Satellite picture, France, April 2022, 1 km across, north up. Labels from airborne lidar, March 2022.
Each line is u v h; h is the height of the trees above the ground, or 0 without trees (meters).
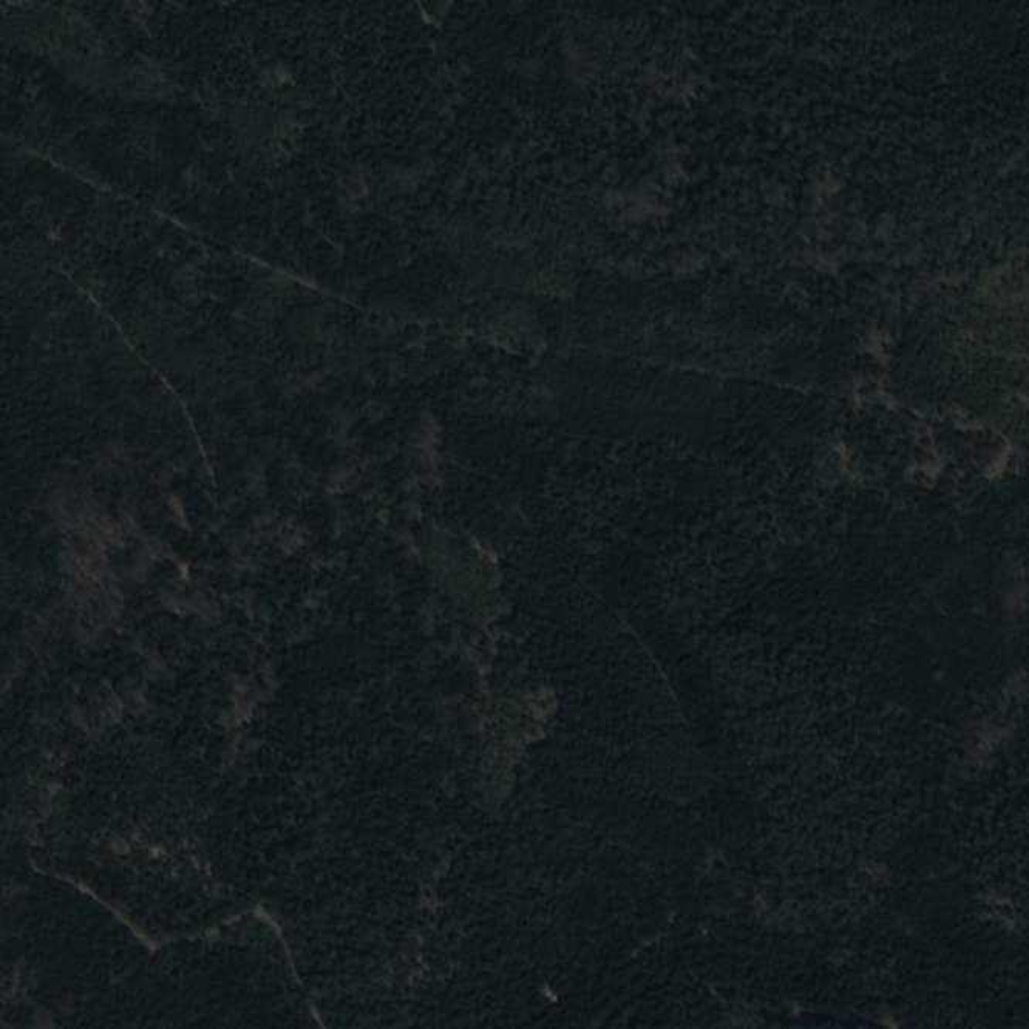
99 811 10
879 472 23
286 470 12
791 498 10
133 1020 20
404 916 16
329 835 16
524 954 15
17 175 11
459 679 13
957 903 12
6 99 7
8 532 17
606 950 19
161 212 10
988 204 14
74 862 14
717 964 21
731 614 32
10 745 22
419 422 16
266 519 24
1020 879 27
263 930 18
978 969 19
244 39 18
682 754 26
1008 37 16
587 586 16
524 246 10
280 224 13
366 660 13
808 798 26
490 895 18
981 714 36
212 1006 15
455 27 22
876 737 10
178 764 10
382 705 13
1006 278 18
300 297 12
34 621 19
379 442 17
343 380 11
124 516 15
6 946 9
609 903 10
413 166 17
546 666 21
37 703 20
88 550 20
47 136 11
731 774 14
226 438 12
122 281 15
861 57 21
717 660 25
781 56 28
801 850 31
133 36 22
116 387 11
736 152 14
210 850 11
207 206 12
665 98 13
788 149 26
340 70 20
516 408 14
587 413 16
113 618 17
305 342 10
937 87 14
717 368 12
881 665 17
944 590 13
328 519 10
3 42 15
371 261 14
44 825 6
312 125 21
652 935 21
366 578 13
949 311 8
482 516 21
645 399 16
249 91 17
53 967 14
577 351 10
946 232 14
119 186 9
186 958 20
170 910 13
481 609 16
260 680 12
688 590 20
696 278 20
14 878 14
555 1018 24
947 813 11
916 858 12
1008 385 8
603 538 12
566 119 16
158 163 10
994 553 12
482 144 18
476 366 7
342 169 18
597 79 15
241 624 14
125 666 24
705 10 10
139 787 10
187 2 25
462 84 14
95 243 9
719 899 27
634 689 31
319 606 25
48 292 9
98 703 23
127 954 22
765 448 16
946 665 13
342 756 28
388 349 9
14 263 13
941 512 15
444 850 9
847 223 15
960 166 11
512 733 13
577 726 19
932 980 25
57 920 16
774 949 18
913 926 13
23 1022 14
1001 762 16
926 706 13
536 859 14
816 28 11
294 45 24
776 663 25
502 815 12
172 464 12
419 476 13
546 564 31
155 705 23
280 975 11
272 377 11
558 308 14
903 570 11
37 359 11
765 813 9
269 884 28
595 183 8
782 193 22
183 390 8
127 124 12
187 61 16
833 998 31
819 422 13
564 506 29
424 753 15
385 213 12
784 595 13
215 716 21
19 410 13
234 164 10
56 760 8
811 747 24
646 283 13
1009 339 13
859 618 12
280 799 30
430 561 16
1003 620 18
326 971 30
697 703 18
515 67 14
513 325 13
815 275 20
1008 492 9
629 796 29
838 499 10
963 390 7
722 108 34
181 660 19
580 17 16
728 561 26
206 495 17
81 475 17
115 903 13
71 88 10
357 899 26
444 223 13
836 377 18
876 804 25
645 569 10
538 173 25
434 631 14
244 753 22
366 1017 28
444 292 8
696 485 14
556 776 29
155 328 15
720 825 16
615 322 11
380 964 27
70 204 10
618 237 8
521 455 22
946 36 13
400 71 24
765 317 14
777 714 26
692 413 14
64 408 10
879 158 29
